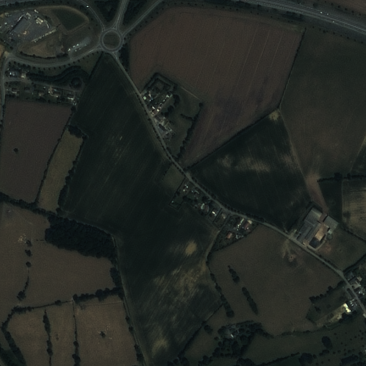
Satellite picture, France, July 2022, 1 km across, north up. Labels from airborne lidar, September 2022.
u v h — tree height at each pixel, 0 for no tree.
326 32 8
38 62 0
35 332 0
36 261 0
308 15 0
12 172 0
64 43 0
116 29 0
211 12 0
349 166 0
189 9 0
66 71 8
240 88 0
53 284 0
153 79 10
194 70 0
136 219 0
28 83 0
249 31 0
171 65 0
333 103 0
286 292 0
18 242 0
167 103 0
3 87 0
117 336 0
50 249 0
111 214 0
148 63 0
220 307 9
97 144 0
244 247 0
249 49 0
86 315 0
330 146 0
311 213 0
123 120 0
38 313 0
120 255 0
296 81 0
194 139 0
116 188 0
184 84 0
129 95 0
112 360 0
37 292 0
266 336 14
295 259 0
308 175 0
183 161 0
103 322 0
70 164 0
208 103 0
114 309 0
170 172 0
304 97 0
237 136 9
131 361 0
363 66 0
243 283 0
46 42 0
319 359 0
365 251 0
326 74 0
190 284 0
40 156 0
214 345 0
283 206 0
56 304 11
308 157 0
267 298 0
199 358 0
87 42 0
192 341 12
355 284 0
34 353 0
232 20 0
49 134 0
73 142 0
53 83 8
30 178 0
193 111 0
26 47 0
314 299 16
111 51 0
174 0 0
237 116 0
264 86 0
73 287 0
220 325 0
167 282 0
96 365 0
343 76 0
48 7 0
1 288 0
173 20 0
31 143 0
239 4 10
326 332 0
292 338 0
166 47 0
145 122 0
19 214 0
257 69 0
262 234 0
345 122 0
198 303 0
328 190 0
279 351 0
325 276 0
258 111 0
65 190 14
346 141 0
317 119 0
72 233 22
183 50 0
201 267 0
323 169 0
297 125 0
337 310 0
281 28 0
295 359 0
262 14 0
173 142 0
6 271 0
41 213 13
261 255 0
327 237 0
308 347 0
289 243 0
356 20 0
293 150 0
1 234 0
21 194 0
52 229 20
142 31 0
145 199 0
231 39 0
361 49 0
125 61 9
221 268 0
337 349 0
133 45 0
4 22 0
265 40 0
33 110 0
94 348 0
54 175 0
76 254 0
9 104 0
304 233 0
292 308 0
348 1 0
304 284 0
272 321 0
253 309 13
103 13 8
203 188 8
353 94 0
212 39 0
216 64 0
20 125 0
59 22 0
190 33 0
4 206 0
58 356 0
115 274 27
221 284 0
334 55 0
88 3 0
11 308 0
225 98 0
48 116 0
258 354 0
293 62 6
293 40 0
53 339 0
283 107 0
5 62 0
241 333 11
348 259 0
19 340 0
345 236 0
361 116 0
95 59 0
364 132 0
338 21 0
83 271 0
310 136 0
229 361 0
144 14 0
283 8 0
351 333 0
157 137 6
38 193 7
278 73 0
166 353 0
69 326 0
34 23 0
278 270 0
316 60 0
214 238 0
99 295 24
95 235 23
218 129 0
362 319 0
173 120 0
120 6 0
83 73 10
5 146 0
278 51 0
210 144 0
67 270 0
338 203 0
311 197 0
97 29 0
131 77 0
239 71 0
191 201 11
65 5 0
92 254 20
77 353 12
